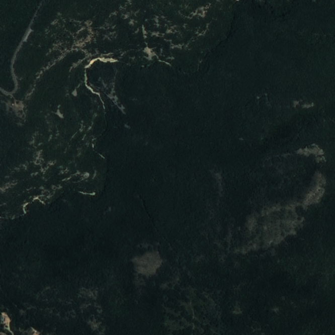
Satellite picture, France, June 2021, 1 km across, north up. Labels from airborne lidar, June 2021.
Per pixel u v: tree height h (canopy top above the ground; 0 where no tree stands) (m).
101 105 10
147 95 8
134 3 8
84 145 7
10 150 7
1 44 7
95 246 12
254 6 16
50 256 15
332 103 11
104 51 7
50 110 7
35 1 7
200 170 10
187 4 17
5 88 6
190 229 7
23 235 13
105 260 10
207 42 6
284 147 13
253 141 7
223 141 9
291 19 9
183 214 9
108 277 10
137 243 10
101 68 7
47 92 9
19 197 9
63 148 7
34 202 8
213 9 7
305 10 12
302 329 8
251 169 8
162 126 12
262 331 9
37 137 6
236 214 7
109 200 10
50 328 8
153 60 7
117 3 7
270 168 5
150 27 7
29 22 7
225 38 12
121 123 8
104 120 13
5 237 14
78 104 9
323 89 10
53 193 11
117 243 9
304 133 8
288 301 7
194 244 6
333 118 11
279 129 11
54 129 6
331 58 10
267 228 0
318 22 11
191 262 7
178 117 12
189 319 11
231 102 11
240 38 8
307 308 7
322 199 7
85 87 9
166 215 12
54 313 8
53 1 6
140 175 13
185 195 10
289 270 6
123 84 16
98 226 8
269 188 10
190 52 7
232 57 9
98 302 7
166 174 11
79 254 16
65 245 17
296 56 11
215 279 6
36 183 5
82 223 8
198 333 7
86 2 7
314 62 9
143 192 12
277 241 0
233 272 6
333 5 11
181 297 9
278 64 9
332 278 13
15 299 12
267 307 8
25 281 6
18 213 9
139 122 8
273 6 19
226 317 11
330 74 10
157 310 13
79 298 6
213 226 7
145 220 15
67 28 9
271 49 11
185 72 10
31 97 6
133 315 11
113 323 9
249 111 9
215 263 6
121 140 9
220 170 8
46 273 12
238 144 12
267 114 7
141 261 0
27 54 8
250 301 8
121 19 10
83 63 9
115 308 9
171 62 9
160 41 7
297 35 10
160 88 11
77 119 5
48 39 6
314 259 7
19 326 9
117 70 9
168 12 8
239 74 10
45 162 6
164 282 9
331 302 8
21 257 11
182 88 12
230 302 6
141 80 9
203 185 8
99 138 11
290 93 13
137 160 12
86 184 10
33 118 7
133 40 8
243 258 7
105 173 12
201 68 11
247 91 8
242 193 9
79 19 7
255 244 0
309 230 7
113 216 9
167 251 10
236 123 10
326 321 9
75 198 12
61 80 10
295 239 8
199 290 7
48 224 11
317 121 11
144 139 7
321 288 8
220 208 7
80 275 15
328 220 11
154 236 12
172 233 10
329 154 11
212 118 10
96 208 9
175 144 10
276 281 10
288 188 5
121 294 8
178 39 6
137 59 9
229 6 8
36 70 8
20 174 7
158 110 11
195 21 7
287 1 10
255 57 9
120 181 14
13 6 7
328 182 11
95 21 9
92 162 9
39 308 5
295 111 9
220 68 10
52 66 7
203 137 10
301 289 8
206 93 11
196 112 12
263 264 5
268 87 9
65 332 10
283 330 9
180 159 8
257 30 13
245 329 9
